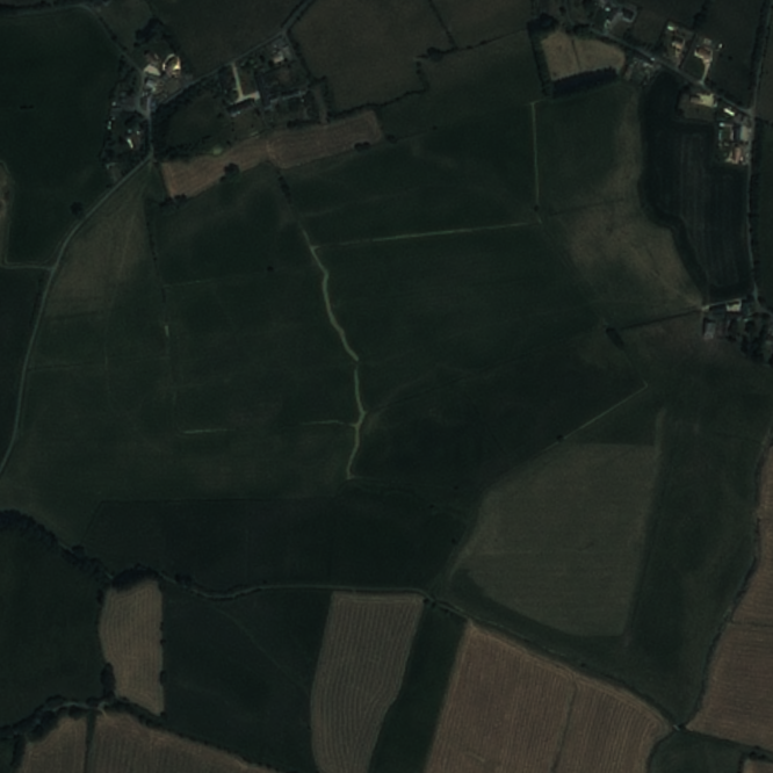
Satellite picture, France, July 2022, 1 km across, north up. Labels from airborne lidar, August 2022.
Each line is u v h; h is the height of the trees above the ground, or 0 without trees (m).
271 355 0
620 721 0
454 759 0
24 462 0
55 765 0
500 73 0
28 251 0
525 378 0
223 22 0
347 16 0
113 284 0
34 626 0
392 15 0
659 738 0
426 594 0
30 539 27
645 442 0
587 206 0
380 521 0
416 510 0
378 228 0
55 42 0
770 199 0
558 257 0
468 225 0
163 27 13
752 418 0
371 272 0
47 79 0
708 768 0
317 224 0
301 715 0
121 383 0
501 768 0
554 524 0
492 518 0
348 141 0
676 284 0
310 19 0
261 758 0
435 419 0
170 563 0
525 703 0
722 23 0
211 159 0
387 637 0
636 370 0
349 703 0
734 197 0
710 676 0
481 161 0
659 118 0
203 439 0
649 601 0
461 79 0
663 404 0
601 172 0
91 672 0
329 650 0
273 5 0
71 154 0
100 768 0
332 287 0
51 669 0
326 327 0
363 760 0
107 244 0
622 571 0
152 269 0
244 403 0
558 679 0
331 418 0
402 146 0
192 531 0
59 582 0
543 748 0
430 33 0
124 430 0
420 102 0
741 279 0
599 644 0
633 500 0
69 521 0
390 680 0
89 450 0
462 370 0
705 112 0
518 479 0
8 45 0
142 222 0
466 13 0
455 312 0
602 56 0
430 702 0
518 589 0
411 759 0
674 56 0
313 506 0
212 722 0
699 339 0
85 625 0
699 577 0
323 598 0
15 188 0
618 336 6
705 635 0
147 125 11
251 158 0
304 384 0
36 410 0
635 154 0
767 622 0
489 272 0
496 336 0
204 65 0
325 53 0
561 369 0
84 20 0
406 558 0
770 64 0
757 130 6
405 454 0
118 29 0
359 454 0
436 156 0
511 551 0
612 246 0
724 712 0
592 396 0
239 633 0
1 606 0
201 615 0
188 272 0
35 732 8
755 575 0
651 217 0
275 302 0
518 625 0
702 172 0
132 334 0
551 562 0
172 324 0
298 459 0
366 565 0
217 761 0
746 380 0
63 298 0
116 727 0
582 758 0
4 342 0
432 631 0
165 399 0
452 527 0
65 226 0
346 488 0
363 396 0
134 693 0
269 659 0
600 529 0
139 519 0
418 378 0
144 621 0
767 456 0
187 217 0
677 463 0
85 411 0
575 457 0
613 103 0
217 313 0
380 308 0
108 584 21
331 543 0
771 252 0
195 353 0
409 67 0
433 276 0
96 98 0
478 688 0
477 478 0
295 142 0
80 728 0
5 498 0
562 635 0
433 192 0
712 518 0
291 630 0
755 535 0
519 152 0
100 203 0
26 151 0
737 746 0
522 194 0
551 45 0
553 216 0
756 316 13
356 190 0
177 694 0
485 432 0
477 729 0
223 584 0
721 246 0
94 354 0
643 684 0
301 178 0
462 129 0
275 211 0
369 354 0
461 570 0
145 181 0
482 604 0
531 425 0
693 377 0
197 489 0
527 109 0
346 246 0
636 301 0
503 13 0
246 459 0
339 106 0
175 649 0
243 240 0
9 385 0
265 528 0
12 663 0
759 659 0
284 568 0
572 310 0
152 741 0
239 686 0
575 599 0
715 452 0
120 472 0
